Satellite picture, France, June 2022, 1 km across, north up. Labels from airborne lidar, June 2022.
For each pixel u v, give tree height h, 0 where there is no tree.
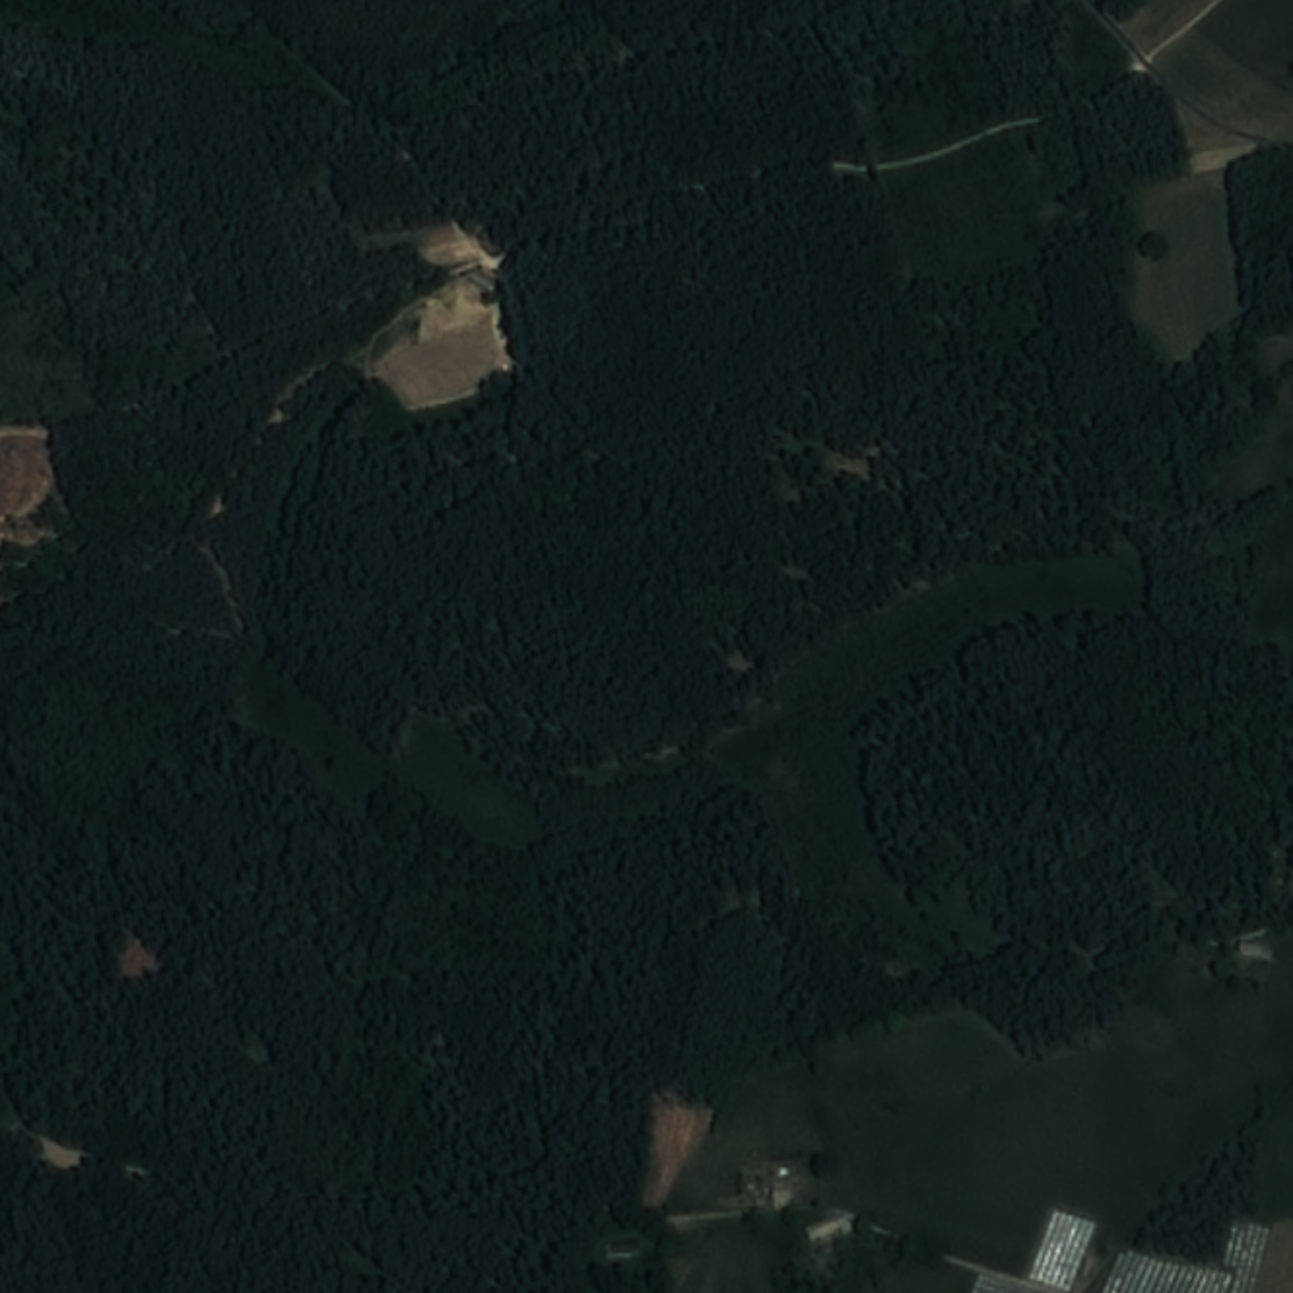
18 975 9
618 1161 31
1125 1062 0
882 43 29
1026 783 17
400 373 0
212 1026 22
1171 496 11
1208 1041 0
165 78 22
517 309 21
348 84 26
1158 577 23
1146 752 19
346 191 22
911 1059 0
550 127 18
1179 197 0
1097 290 25
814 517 20
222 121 23
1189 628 27
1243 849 15
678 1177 0
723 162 22
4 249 18
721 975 25
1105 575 0
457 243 0
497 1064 20
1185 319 0
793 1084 0
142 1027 24
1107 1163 0
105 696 9
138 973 0
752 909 8
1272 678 11
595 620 23
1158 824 20
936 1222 0
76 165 13
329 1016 33
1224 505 16
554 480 24
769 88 26
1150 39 0
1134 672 22
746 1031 19
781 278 24
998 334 10
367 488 27
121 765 10
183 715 8
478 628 17
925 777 17
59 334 8
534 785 17
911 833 28
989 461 26
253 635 22
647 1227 19
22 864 31
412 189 18
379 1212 31
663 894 28
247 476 19
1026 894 19
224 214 23
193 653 26
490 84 26
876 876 0
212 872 27
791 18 30
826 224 22
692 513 30
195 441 20
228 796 33
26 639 22
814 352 24
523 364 23
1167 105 19
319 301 11
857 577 25
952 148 0
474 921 9
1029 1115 0
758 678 19
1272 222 25
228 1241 23
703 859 23
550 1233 26
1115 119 20
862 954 6
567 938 7
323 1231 27
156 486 19
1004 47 17
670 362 22
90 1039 27
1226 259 0
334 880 29
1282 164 24
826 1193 0
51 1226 27
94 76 18
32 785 12
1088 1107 0
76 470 18
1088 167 21
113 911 23
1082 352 27
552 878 19
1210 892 17
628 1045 23
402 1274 27
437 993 17
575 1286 30
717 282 20
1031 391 19
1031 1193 0
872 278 24
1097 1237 0
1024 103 18
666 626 23
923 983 20
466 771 0
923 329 15
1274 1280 0
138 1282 22
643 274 22
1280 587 0
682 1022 23
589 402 22
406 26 20
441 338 0
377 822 13
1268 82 0
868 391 24
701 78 29
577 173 25
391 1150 15
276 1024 26
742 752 0
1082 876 13
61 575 21
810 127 24
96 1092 23
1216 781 19
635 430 24
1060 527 26
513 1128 27
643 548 21
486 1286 29
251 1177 29
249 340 20
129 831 13
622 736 23
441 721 21
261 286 19
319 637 18
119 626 23
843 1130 0
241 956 29
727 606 25
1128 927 18
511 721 24
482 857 14
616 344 22
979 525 23
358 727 15
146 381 17
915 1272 0
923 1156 0
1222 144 0
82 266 15
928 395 25
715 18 23
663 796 16
